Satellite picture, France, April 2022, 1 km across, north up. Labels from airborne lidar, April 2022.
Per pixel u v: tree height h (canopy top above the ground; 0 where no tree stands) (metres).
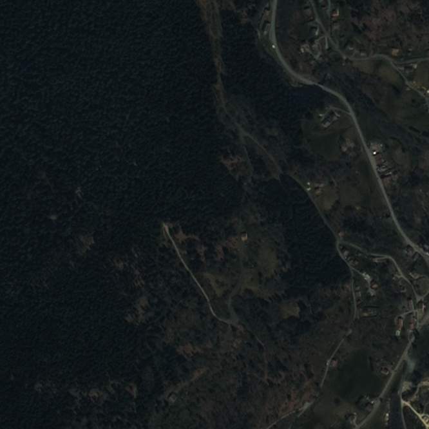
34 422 32
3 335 18
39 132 27
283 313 0
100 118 23
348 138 0
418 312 0
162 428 7
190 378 7
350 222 17
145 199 29
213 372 17
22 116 12
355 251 0
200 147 25
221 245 6
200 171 31
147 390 25
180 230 15
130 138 21
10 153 30
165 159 31
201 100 26
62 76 30
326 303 29
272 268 0
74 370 28
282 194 29
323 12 0
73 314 25
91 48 24
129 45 21
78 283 30
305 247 33
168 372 28
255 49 28
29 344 23
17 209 33
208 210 33
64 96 29
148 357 20
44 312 24
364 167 0
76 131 26
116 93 30
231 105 5
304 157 21
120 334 27
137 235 33
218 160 23
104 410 11
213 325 9
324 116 0
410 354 0
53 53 30
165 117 16
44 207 28
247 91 27
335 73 11
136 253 30
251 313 6
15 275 26
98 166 31
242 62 29
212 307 7
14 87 30
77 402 25
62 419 26
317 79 5
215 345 12
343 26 0
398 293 0
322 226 30
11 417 21
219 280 0
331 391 0
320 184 10
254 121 21
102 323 22
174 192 35
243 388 16
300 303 0
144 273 30
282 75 20
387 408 0
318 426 0
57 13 30
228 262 21
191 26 34
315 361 0
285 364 18
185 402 9
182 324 17
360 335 5
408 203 7
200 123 38
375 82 12
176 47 33
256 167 23
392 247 7
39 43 32
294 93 22
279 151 12
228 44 26
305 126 0
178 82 35
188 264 8
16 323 18
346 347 0
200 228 13
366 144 0
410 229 23
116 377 24
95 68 31
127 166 19
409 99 0
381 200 0
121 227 32
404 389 0
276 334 22
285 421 6
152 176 30
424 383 0
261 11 17
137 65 21
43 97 29
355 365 0
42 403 26
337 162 8
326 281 16
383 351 20
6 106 24
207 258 18
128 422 9
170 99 21
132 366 33
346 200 0
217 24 12
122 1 31
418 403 0
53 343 17
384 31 8
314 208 30
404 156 0
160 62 21
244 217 12
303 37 0
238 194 25
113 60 28
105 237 28
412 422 0
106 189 16
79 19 29
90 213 14
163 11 25
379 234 9
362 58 0
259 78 25
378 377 0
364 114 0
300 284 29
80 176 23
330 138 0
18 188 32
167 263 10
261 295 0
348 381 0
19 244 12
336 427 0
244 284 0
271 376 11
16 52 23
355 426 0
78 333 20
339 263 19
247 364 6
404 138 20
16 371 16
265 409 20
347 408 0
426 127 0
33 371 21
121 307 31
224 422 21
